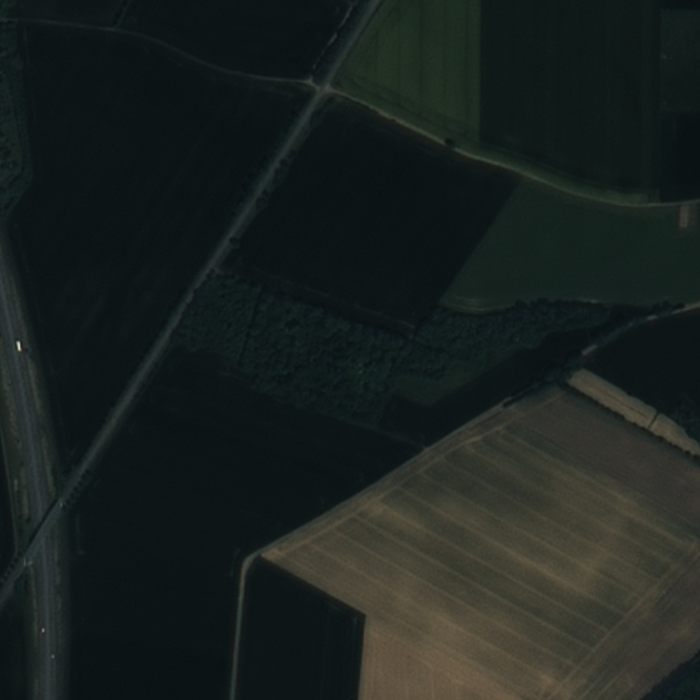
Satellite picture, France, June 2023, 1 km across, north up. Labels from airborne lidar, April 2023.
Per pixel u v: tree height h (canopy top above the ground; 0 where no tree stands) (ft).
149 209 0
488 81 0
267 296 47
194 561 0
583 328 0
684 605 0
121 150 0
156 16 0
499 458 0
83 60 0
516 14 0
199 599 0
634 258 0
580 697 0
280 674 0
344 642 0
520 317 73
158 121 0
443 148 0
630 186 0
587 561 0
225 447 0
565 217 0
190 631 0
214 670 0
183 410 0
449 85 0
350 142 0
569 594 0
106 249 0
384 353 70
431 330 55
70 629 0
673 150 0
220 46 0
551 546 0
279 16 0
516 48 0
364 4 27
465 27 0
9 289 0
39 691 0
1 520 0
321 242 0
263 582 0
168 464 0
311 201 0
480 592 0
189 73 0
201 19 0
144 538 0
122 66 0
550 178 0
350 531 0
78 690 0
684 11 0
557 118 0
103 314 0
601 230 0
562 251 0
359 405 61
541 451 0
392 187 0
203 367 0
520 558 0
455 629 0
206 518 0
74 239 0
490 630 0
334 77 0
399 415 0
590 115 0
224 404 0
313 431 0
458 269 0
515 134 0
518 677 0
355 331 82
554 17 0
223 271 0
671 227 0
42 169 0
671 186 0
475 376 0
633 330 0
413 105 0
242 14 0
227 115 0
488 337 49
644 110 0
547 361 0
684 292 0
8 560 0
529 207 0
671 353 0
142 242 0
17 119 28
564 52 0
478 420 0
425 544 0
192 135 0
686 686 80
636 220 0
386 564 0
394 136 0
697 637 0
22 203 0
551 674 0
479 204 0
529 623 0
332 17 0
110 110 0
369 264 0
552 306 61
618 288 0
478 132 0
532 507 0
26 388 0
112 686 0
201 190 0
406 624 0
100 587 0
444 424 0
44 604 0
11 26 43
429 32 0
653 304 0
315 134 0
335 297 0
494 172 0
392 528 0
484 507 0
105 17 0
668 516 0
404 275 0
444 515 0
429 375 43
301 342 79
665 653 0
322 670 0
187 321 41
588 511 0
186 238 0
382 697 0
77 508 0
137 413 0
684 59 0
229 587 0
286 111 0
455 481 0
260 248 0
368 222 0
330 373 69
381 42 0
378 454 0
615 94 0
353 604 0
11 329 0
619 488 0
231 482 0
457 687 0
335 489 0
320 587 0
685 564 0
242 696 0
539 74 0
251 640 0
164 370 0
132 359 0
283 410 0
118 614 0
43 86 0
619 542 0
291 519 0
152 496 0
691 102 0
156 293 0
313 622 0
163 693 0
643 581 0
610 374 0
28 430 0
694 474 0
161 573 0
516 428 0
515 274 0
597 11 0
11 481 0
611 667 0
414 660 0
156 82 0
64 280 0
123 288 0
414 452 0
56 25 0
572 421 0
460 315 33
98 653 0
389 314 0
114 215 0
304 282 0
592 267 0
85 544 0
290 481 0
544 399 0
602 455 0
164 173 0
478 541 0
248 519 0
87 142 0
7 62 42
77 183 0
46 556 0
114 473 0
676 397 0
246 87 0
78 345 0
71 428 0
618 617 0
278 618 0
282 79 0
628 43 0
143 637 0
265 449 0
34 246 0
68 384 0
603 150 0
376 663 0
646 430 22
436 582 0
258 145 0
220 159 0
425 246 0
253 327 41
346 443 0
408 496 0
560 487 0
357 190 0
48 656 0
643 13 0
